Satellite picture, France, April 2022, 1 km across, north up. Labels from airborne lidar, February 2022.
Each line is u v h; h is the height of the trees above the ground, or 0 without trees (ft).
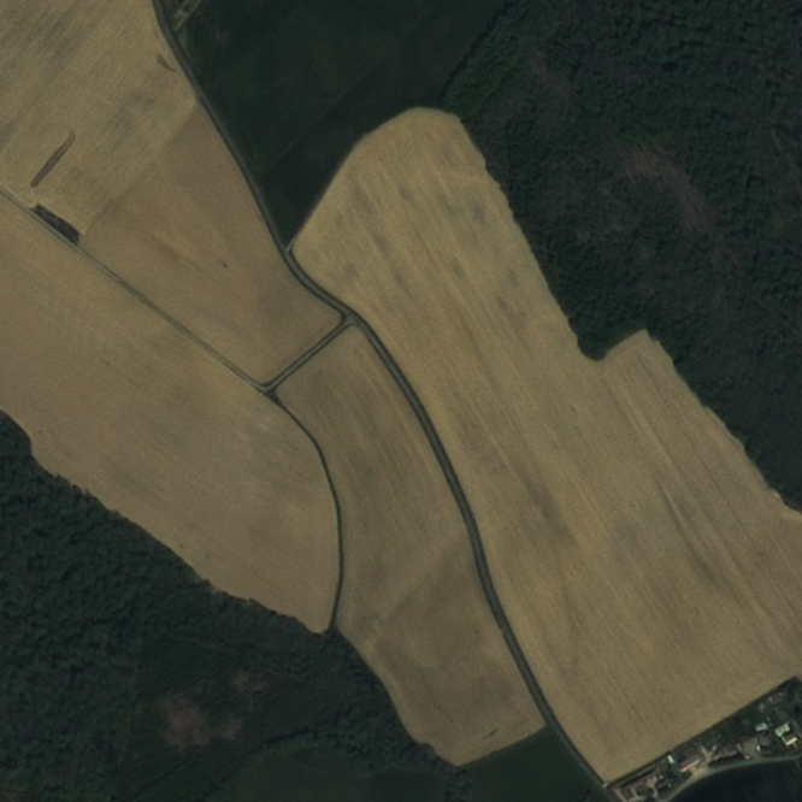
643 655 0
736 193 82
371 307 0
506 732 0
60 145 0
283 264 0
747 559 0
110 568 92
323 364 0
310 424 0
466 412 0
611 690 0
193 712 0
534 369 0
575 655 0
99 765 88
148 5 0
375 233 0
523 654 0
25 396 0
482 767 0
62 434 0
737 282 0
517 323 0
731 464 0
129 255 0
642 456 0
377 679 25
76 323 0
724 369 0
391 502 0
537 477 0
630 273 71
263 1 0
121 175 0
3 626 91
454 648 0
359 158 0
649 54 84
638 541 0
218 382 0
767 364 58
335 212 0
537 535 0
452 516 0
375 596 0
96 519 66
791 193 0
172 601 53
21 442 54
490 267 0
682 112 101
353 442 0
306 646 56
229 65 0
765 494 0
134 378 0
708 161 86
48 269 0
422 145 0
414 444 0
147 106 0
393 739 64
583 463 0
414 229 0
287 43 0
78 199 0
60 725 93
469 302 0
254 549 0
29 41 0
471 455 0
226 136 0
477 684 0
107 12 0
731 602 0
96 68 0
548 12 92
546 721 0
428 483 0
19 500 0
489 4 0
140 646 101
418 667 0
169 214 0
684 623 0
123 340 0
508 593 0
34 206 0
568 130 0
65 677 90
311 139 0
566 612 0
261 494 0
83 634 62
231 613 62
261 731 22
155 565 40
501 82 54
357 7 0
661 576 0
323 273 0
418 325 0
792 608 0
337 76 0
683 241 0
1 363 0
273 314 0
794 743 0
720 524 0
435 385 0
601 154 0
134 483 0
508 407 0
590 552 0
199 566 0
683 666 0
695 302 61
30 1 0
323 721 19
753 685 0
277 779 0
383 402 0
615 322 55
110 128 0
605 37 93
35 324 0
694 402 0
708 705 0
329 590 0
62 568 77
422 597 0
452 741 0
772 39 77
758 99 88
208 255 0
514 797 0
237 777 22
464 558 0
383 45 0
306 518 0
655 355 0
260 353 0
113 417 0
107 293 0
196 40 0
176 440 0
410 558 0
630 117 83
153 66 0
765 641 0
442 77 0
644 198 0
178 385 0
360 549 0
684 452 0
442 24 0
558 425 0
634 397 0
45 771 84
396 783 0
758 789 0
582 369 0
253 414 0
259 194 0
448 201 0
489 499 0
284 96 0
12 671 100
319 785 0
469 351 0
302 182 0
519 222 44
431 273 0
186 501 0
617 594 0
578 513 0
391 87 0
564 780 0
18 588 100
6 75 0
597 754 0
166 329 0
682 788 0
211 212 0
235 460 0
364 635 0
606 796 0
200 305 0
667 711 0
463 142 0
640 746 0
